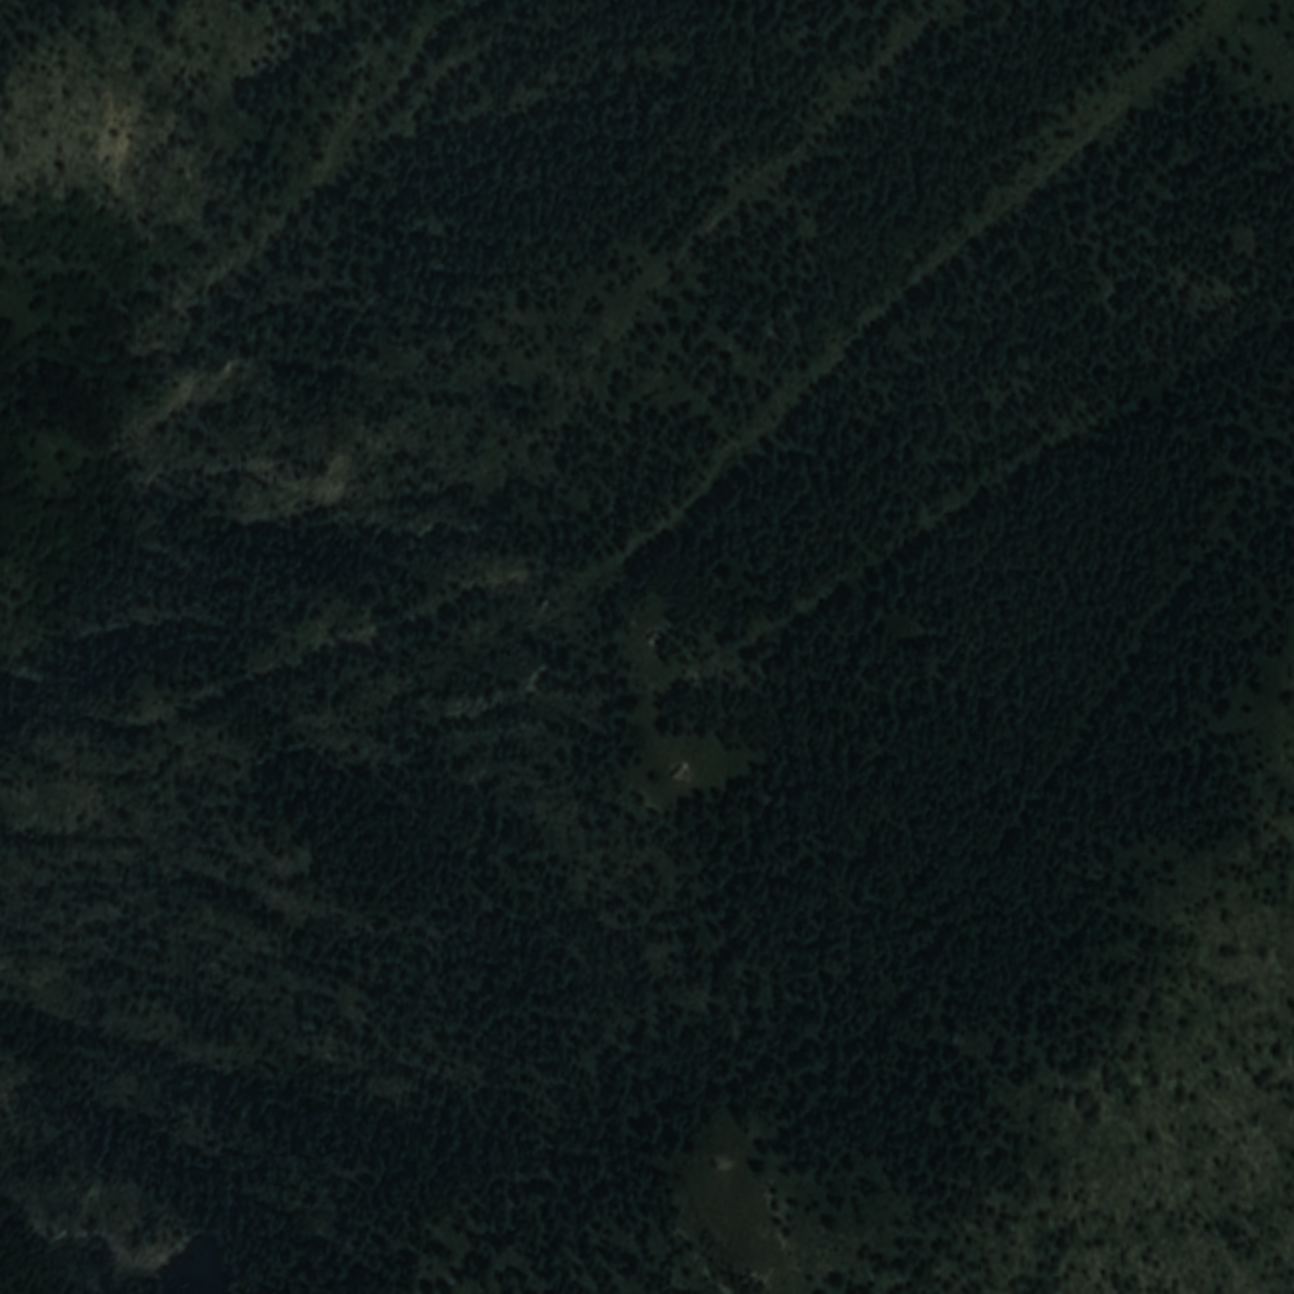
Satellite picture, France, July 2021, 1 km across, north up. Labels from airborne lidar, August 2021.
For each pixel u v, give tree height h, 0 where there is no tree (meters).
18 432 13
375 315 12
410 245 22
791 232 20
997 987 20
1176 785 20
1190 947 7
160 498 12
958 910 16
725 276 18
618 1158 27
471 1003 9
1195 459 18
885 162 18
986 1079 15
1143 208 13
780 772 11
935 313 16
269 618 14
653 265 0
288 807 13
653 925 6
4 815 7
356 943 10
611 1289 27
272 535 18
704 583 21
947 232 13
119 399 13
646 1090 22
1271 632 10
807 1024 20
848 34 19
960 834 20
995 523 18
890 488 18
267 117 21
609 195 19
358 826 24
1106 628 23
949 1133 9
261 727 10
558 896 13
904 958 18
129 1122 7
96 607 11
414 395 9
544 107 12
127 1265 0
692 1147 19
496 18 16
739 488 17
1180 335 16
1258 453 14
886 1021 17
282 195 9
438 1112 13
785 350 17
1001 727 22
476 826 19
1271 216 16
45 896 14
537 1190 15
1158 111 6
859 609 22
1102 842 10
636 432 20
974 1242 8
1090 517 19
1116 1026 17
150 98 7
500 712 8
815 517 25
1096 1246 7
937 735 26
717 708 14
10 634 7
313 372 16
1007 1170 16
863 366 21
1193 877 0
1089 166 10
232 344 23
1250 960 0
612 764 12
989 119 17
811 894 23
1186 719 18
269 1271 15
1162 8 14
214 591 10
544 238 15
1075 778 15
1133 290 17
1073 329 16
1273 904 6
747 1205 0
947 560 22
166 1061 13
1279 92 0
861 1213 8
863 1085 19
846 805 25
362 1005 7
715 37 22
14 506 13
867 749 11
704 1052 22
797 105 18
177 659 17
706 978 22
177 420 7
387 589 11
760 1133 0
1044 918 21
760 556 25
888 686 24
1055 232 19
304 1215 10
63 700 7
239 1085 12
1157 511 22
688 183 20
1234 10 0
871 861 24
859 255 19
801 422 18
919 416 20
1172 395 11
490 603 23
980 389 18
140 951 6
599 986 18
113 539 13
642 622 0
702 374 10
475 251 21
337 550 12
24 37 19
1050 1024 19
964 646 18
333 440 10
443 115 17
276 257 9
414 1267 18
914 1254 10
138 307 19
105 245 7
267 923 20
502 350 6
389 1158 17
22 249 9
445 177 20
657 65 12
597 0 20
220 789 9
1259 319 11
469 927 14
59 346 12
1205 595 21
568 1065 14
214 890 18
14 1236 13
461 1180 22
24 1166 8
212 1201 16
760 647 9
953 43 19
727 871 24
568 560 13
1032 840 20
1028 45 20
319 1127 18
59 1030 16
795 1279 0
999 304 19
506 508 20
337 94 10
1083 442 12
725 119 21
